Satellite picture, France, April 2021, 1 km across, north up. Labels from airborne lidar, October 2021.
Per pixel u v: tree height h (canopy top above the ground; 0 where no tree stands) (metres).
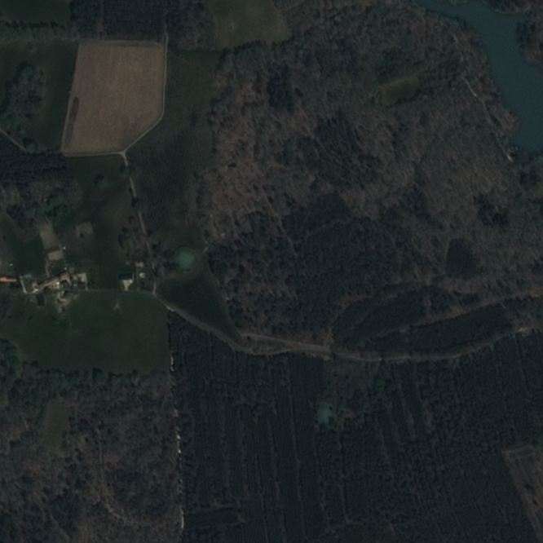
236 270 22
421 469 21
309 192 12
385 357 10
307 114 16
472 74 15
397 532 12
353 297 17
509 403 16
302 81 12
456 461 20
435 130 13
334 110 12
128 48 0
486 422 19
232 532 13
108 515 10
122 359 0
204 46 17
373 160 17
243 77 18
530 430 19
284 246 21
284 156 15
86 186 0
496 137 19
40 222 24
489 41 0
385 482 16
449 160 18
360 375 10
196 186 12
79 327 0
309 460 14
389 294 13
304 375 13
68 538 22
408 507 21
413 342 12
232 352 14
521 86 0
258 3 0
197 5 7
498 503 14
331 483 16
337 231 13
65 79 0
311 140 12
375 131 14
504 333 15
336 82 16
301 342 8
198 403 14
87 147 0
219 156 13
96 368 0
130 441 12
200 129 16
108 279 0
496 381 16
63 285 7
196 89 0
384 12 10
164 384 18
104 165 0
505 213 13
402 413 14
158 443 6
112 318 0
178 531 7
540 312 15
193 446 15
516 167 15
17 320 0
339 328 13
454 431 16
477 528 17
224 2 0
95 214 0
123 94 0
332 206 12
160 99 0
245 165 0
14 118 24
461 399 19
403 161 20
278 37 0
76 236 0
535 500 11
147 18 13
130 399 11
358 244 18
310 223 12
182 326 18
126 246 20
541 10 19
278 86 23
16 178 13
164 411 9
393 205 14
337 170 20
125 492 12
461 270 13
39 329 0
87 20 27
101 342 0
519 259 22
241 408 12
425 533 19
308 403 11
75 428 17
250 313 15
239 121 0
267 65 26
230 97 21
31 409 24
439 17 17
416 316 15
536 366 17
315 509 12
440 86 14
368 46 22
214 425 12
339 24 12
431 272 24
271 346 14
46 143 0
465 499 18
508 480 17
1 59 0
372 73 22
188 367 14
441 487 24
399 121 22
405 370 8
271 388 17
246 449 12
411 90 0
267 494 8
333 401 10
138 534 9
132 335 0
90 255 0
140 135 0
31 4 0
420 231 22
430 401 19
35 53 21
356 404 17
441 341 12
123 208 0
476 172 19
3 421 22
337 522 17
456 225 19
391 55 18
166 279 10
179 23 25
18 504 14
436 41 18
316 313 20
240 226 16
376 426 17
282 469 14
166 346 0
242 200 19
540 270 22
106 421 14
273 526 8
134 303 0
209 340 16
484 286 19
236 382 19
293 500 13
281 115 28
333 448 16
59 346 0
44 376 15
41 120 0
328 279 19
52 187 18
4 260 0
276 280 12
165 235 0
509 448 19
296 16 9
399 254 26
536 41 9
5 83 0
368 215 13
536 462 13
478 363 16
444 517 18
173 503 8
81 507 24
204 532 8
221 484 12
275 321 15
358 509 18
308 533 14
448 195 17
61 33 19
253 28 0
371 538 10
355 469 16
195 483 14
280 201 14
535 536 20
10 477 13
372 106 15
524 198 27
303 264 19
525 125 0
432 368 13
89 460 8
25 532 12
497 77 0
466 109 16
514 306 18
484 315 13
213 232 15
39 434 17
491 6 8
